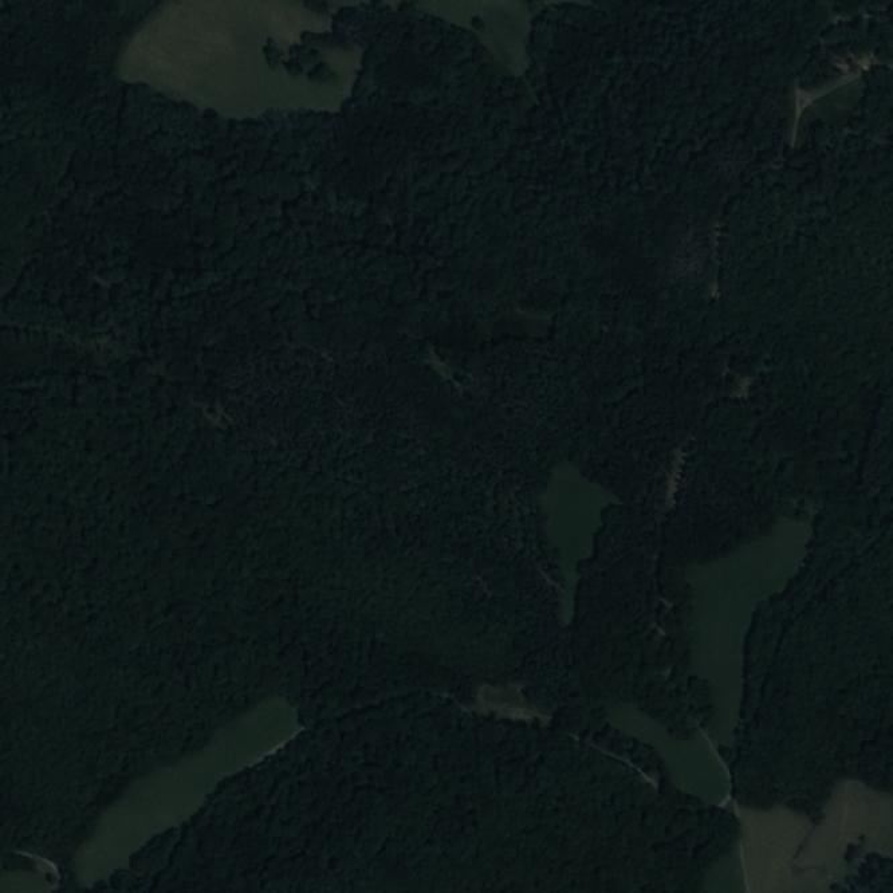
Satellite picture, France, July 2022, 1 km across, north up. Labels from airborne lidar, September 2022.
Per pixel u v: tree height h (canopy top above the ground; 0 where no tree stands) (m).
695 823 21
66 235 26
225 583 15
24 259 23
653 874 21
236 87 0
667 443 17
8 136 25
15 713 10
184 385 23
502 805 19
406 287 35
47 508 18
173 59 0
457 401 32
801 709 14
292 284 24
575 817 22
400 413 25
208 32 0
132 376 6
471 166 28
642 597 26
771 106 17
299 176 27
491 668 18
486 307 13
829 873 0
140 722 16
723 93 28
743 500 20
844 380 22
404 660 17
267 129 26
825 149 23
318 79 14
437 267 28
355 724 26
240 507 17
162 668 21
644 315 24
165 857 18
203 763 0
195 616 18
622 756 19
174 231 27
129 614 19
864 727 20
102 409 21
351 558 19
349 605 13
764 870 0
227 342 19
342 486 21
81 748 10
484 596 11
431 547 22
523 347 24
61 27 27
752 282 17
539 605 19
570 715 25
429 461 20
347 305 26
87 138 23
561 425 19
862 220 17
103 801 11
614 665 22
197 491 19
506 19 0
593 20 21
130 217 31
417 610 14
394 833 15
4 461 25
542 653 22
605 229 17
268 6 0
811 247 19
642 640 23
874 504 24
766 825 0
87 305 32
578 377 21
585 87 25
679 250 20
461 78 13
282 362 22
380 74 18
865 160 26
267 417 22
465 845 21
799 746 16
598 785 20
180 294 27
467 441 24
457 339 14
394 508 22
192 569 16
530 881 23
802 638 17
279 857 27
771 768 17
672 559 22
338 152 28
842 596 22
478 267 23
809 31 23
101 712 12
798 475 18
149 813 0
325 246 28
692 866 22
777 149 19
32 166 18
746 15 34
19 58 27
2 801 14
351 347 20
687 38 31
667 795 23
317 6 18
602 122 26
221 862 26
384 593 15
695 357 21
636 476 18
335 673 25
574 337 19
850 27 18
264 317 26
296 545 19
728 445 19
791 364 17
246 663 21
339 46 15
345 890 16
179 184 28
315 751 24
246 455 22
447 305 20
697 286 15
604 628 22
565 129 22
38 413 25
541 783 21
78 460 15
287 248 28
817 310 11
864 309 9
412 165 30
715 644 0
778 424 17
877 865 25
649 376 22
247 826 26
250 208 32
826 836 0
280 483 20
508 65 0
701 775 0
